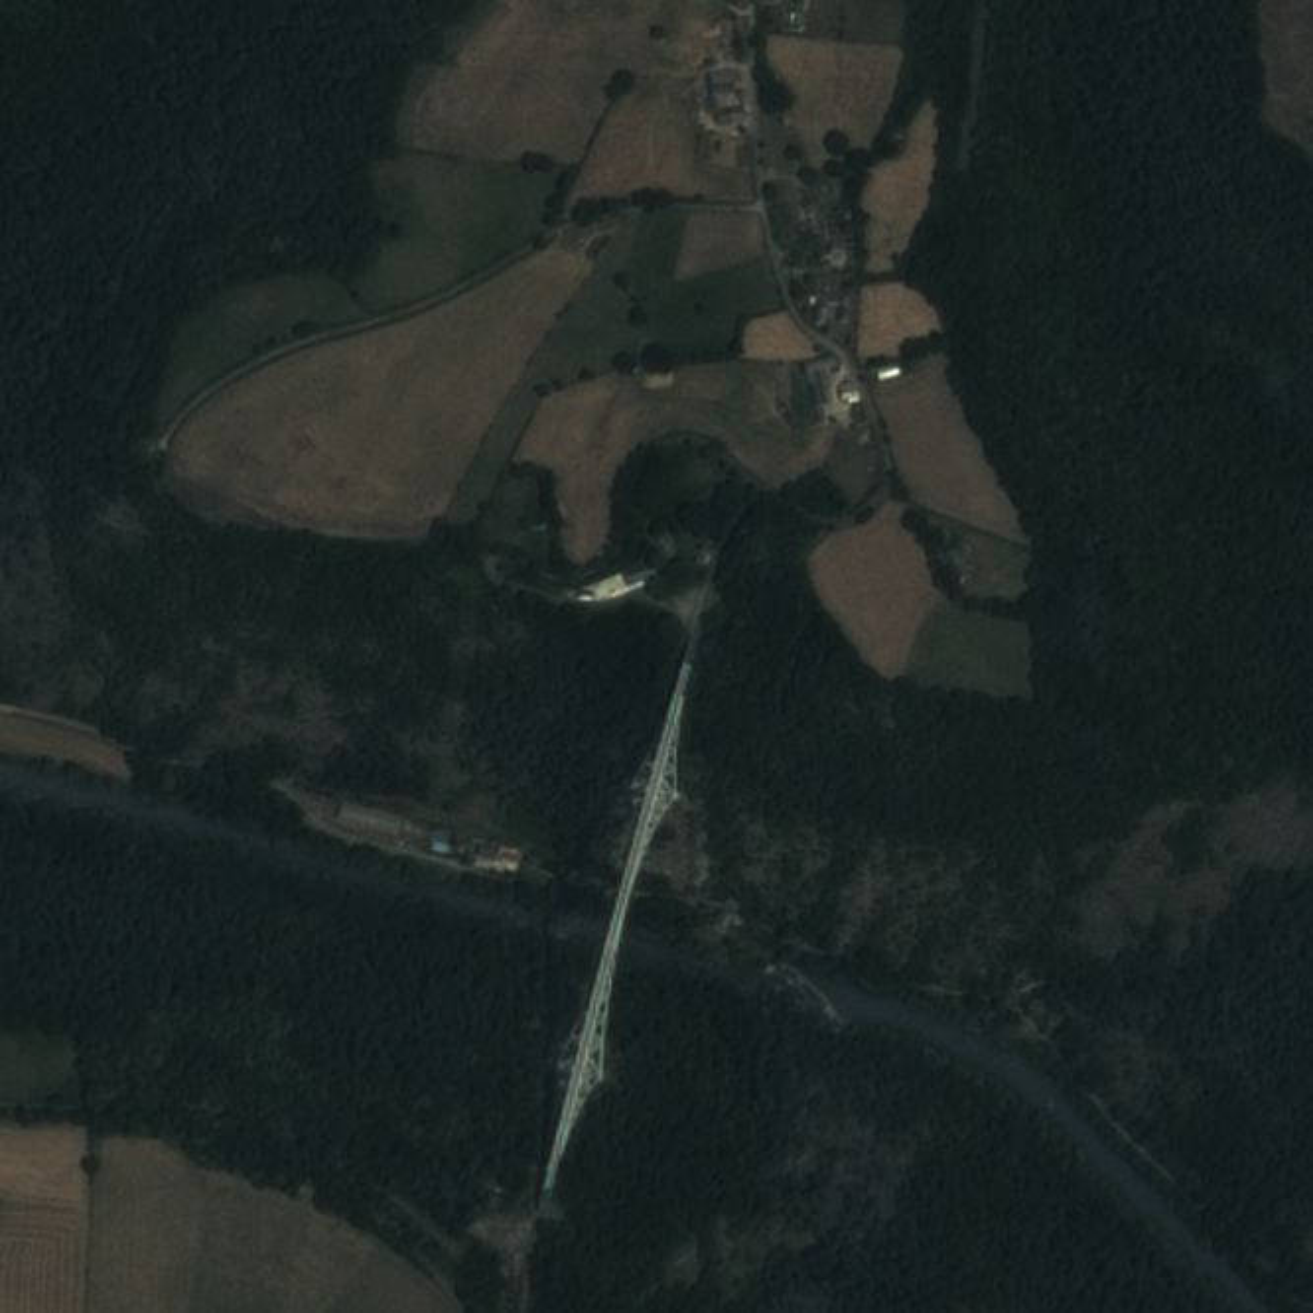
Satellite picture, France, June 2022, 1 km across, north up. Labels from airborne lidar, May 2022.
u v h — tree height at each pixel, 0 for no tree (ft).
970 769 41
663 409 0
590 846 38
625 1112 49
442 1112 50
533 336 0
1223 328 52
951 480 0
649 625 18
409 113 0
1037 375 46
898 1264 35
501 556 39
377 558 34
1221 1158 30
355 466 0
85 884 45
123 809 0
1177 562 37
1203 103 55
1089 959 17
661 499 0
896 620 0
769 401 0
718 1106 45
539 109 0
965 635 0
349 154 31
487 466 0
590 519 0
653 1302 47
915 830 38
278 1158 49
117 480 27
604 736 76
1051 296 46
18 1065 0
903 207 0
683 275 0
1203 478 38
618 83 40
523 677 19
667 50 0
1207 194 41
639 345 0
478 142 0
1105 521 53
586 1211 33
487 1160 53
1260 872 39
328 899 90
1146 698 51
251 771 49
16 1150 0
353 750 22
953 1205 45
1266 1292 70
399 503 0
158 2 84
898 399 0
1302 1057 50
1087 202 57
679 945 35
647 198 48
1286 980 38
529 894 64
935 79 41
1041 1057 27
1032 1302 24
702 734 42
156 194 43
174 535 25
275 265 39
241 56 74
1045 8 44
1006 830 37
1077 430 48
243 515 0
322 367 0
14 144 88
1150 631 72
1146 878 0
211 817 44
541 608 41
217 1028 55
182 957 66
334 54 70
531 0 0
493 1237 0
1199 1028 32
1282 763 28
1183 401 27
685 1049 21
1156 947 44
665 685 51
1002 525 0
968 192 56
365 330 0
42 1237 0
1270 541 26
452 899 0
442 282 0
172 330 24
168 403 0
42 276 59
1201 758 27
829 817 25
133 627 34
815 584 0
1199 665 46
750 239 0
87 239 32
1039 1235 35
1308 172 44
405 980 73
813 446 0
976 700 46
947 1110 40
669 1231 32
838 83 0
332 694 20
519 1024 51
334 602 21
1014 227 41
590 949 42
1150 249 68
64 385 57
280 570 19
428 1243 43
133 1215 0
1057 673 32
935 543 30
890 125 25
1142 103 79
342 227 31
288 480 0
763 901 22
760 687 46
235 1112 43
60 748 0
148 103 70
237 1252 0
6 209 102
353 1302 0
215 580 26
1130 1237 94
